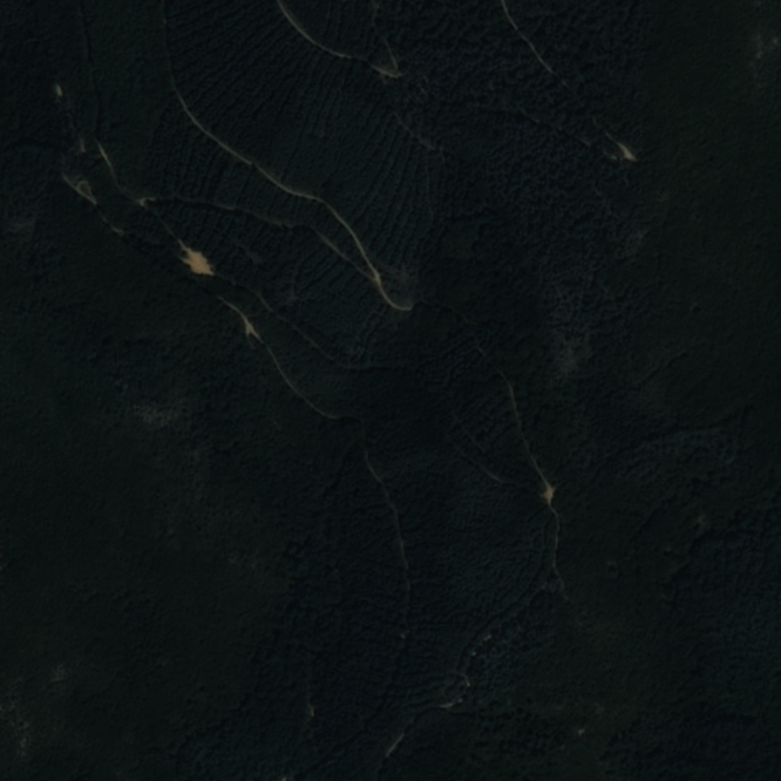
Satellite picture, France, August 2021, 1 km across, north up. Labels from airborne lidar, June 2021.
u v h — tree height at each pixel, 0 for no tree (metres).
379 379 17
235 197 15
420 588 14
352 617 14
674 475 17
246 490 19
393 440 17
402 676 16
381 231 13
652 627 23
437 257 20
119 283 28
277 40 10
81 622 18
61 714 15
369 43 14
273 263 20
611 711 21
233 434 26
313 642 25
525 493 12
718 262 10
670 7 14
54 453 14
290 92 16
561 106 24
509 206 20
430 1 6
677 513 24
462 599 9
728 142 21
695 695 24
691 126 12
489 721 21
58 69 20
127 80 14
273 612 22
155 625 21
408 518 14
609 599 18
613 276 18
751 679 19
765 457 17
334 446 31
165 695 21
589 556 22
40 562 17
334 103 10
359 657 16
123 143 19
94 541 19
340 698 13
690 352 10
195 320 17
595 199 18
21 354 15
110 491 14
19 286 22
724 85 20
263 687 35
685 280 15
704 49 19
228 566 15
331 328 14
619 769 17
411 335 16
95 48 17
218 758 11
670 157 10
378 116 13
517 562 9
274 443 22
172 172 17
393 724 13
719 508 23
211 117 19
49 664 12
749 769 11
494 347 19
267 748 19
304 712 22
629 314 19
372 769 10
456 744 15
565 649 14
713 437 25
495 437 12
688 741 14
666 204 9
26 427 14
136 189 10
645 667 22
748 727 25
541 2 10
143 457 14
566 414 11
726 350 20
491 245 18
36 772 19
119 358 11
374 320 13
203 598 21
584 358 7
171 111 13
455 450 10
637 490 23
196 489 10
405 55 20
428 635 18
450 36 9
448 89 16
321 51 13
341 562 14
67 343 15
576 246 12
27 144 20
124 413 7
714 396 24
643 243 7
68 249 19
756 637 11
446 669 9
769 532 12
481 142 12
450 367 22
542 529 11
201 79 17
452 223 19
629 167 12
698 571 11
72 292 28
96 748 16
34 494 14
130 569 14
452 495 16
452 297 20
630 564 25
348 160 14
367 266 12
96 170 23
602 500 20
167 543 12
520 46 16
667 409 11
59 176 13
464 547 9
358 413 15
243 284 7
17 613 18
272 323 11
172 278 24
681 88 16
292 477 22
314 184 14
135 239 12
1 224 15
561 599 16
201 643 18
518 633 22
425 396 15
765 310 15
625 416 16
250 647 21
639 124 21
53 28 26
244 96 17
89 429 11
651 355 12
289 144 15
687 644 30
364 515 18
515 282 21
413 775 17
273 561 21
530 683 27
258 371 22
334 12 12
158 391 11
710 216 17
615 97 14
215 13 20
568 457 7
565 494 11
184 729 25
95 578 12
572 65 20
